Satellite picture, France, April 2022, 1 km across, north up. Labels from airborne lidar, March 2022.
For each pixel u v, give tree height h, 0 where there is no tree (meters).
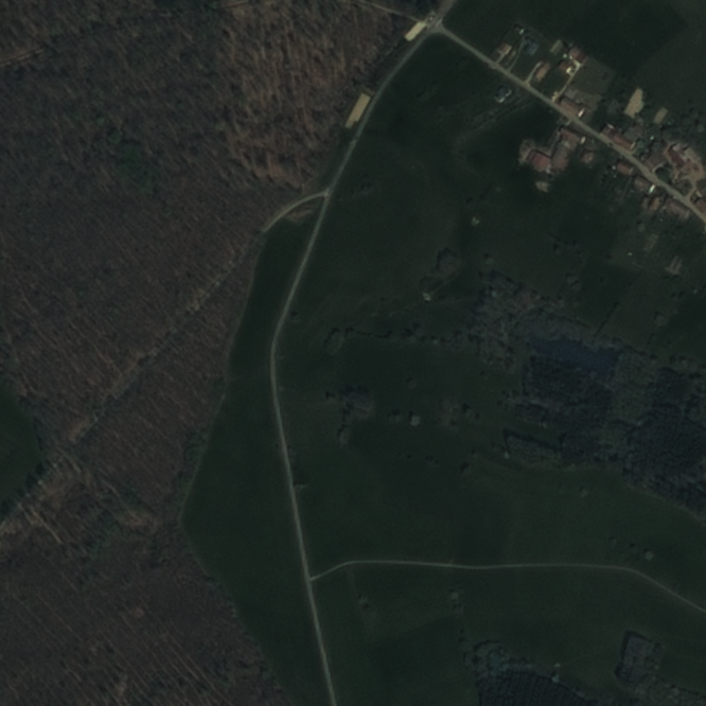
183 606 9
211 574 0
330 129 28
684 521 0
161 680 9
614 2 0
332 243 0
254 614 0
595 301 0
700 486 8
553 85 0
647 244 0
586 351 0
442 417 0
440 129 0
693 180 0
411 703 0
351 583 0
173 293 21
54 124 30
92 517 29
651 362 19
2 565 7
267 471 0
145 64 29
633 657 24
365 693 0
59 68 30
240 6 0
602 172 0
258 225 19
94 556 26
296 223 0
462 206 0
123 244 25
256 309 0
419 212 0
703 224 0
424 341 7
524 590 0
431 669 0
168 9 21
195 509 0
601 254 0
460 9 0
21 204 26
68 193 29
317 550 0
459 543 0
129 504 33
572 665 0
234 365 0
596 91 0
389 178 0
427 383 0
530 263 0
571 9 0
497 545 0
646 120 14
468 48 0
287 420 0
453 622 0
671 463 27
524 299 30
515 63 0
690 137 10
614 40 0
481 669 22
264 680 7
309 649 0
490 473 0
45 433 22
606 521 0
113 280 29
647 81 0
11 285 17
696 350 0
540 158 0
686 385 10
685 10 0
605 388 13
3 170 31
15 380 26
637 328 0
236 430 0
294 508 0
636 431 12
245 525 0
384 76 0
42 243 24
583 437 15
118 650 14
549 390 15
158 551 10
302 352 0
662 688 16
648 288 0
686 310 0
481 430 0
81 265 25
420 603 0
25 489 0
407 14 19
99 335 21
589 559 0
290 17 0
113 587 11
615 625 0
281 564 0
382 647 0
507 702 15
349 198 0
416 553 0
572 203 0
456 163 0
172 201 27
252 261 17
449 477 0
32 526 33
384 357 0
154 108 29
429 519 0
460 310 0
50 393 18
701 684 0
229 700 8
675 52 0
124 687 25
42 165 29
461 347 8
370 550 0
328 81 0
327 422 0
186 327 22
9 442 0
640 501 0
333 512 0
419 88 0
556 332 22
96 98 26
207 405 21
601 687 0
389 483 0
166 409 21
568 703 21
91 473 31
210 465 0
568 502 0
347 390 0
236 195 26
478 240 0
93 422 0
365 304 0
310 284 0
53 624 15
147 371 22
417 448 0
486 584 0
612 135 0
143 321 0
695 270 0
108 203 22
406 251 0
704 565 0
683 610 0
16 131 32
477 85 0
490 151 0
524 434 0
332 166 0
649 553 9
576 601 0
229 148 28
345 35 0
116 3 25
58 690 10
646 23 0
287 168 26
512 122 0
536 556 0
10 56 26
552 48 0
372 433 0
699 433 29
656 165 0
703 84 0
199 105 28
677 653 0
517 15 0
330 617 0
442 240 0
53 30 30
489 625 0
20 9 31
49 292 17
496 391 0
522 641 0
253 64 28
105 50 29
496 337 28
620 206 0
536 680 21
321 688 0
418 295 0
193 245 19
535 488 0
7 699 18
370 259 0
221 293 20
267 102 0
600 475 0
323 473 0
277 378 0
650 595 0
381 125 0
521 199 0
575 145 0
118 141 30
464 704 0
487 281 17
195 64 31
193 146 24
